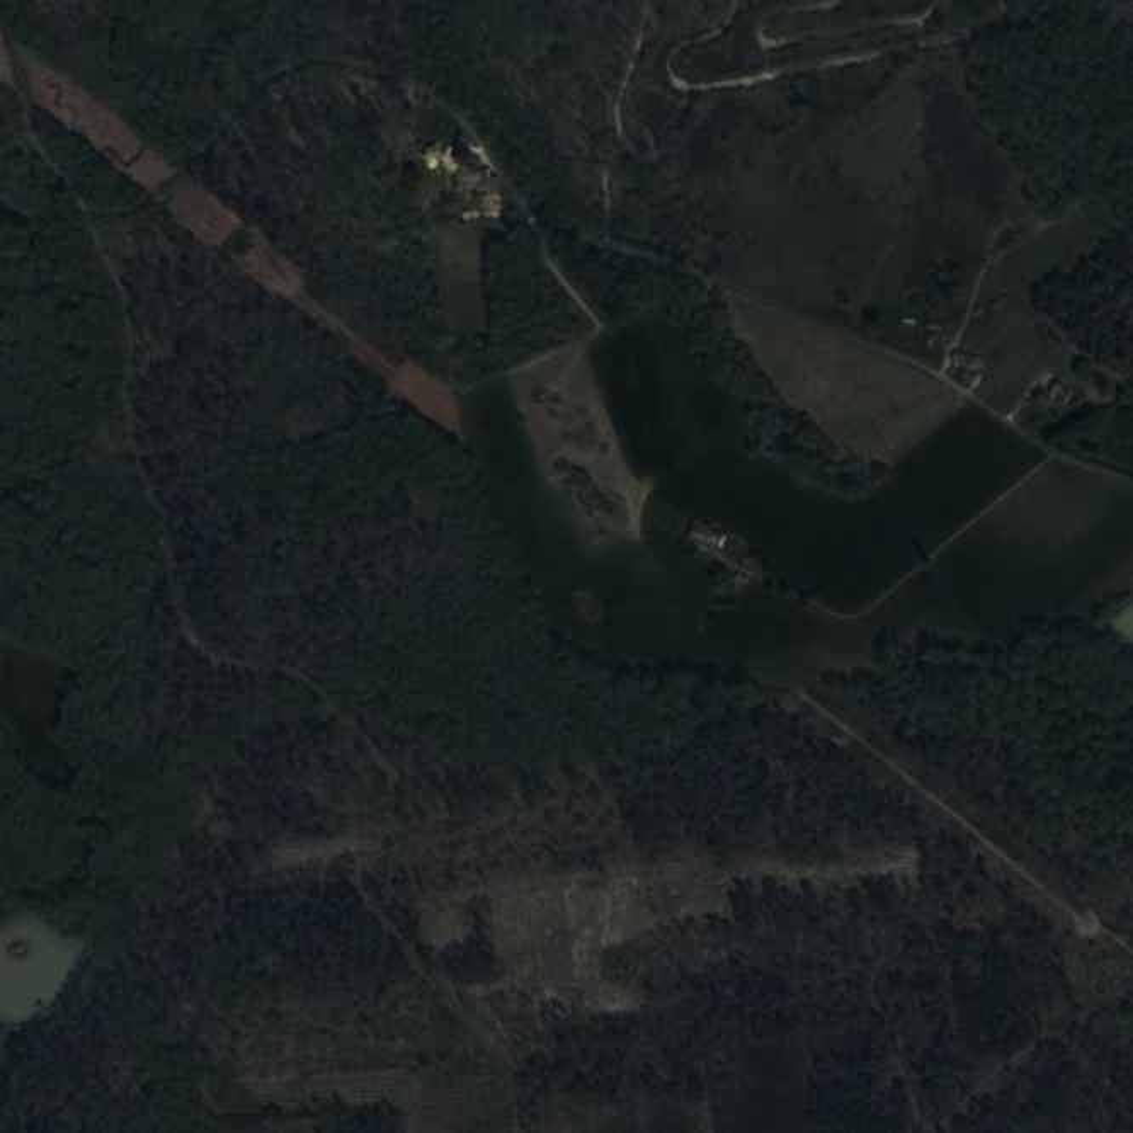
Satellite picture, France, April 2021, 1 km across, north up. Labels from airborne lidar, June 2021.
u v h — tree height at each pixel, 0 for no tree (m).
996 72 17
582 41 13
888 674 17
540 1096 17
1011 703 21
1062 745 13
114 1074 24
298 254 6
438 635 23
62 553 23
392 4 16
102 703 21
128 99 16
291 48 22
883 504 0
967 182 0
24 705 0
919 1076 17
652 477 0
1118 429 0
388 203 23
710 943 7
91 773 22
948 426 0
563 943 0
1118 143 15
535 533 0
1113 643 18
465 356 20
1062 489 0
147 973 21
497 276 19
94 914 19
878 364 0
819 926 21
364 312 11
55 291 23
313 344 19
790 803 25
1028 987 10
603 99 12
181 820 22
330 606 21
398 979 9
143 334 14
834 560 0
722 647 0
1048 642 21
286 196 24
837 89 0
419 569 13
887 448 0
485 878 10
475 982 22
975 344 0
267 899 11
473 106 29
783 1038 14
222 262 11
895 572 0
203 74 11
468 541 17
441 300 18
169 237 15
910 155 0
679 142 8
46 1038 20
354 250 19
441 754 13
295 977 22
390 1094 0
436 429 16
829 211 0
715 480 0
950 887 17
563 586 0
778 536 0
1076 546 0
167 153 16
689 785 24
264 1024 11
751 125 0
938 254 0
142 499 18
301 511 16
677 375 0
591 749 21
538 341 13
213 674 20
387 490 17
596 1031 7
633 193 8
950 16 12
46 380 21
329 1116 20
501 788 20
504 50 19
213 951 16
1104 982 16
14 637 24
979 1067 7
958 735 13
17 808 20
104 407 20
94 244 17
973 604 0
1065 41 19
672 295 25
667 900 0
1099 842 13
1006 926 11
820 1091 17
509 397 0
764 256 0
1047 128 18
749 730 22
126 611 19
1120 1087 21
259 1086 0
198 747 20
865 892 14
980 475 0
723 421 0
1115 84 22
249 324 19
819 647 0
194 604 22
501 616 21
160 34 26
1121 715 13
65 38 10
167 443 18
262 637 8
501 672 21
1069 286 13
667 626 0
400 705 19
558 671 24
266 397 12
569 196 17
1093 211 13
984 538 0
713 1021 15
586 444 0
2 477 14
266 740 13
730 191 0
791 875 0
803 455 24
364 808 16
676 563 0
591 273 25
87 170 24
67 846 28
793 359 0
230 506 14
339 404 15
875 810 21
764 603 0
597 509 10
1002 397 0
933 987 20
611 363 0
